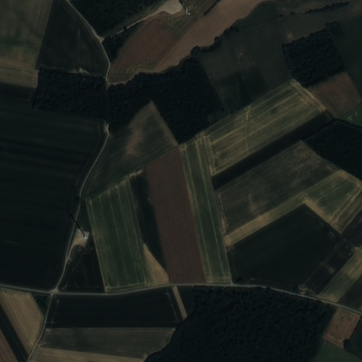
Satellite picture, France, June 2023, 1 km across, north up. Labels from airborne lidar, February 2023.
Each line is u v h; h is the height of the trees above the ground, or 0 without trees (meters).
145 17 0
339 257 0
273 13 0
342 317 0
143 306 0
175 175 0
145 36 0
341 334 0
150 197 0
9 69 0
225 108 12
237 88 0
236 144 0
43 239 0
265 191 0
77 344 0
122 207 0
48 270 0
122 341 0
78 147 0
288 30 0
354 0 0
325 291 0
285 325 19
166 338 0
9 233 0
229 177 0
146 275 0
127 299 0
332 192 0
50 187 0
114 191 0
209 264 0
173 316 0
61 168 0
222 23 0
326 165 0
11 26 0
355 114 0
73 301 0
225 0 0
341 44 0
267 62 0
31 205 0
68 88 19
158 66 0
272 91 0
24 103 0
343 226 0
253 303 19
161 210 0
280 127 0
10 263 0
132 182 0
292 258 0
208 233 0
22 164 0
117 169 0
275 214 0
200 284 0
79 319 0
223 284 0
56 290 0
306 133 0
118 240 0
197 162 0
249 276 0
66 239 0
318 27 0
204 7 0
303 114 0
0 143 0
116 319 0
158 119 0
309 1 0
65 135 0
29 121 0
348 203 0
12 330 0
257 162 0
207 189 0
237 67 0
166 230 0
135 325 0
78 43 0
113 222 0
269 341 19
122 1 10
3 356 0
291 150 0
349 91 0
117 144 0
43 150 0
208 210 0
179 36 0
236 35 0
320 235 0
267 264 0
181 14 0
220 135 0
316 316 16
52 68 0
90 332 0
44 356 0
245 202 0
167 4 0
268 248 0
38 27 0
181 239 0
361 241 0
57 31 0
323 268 0
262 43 0
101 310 0
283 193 0
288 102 0
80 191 0
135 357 0
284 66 0
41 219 0
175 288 0
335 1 0
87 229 0
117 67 0
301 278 0
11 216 0
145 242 0
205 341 23
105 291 0
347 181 0
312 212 0
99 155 0
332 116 0
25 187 0
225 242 0
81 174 0
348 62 0
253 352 18
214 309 19
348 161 12
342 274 0
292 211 0
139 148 0
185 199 0
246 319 21
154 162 0
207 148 0
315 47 16
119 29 0
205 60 0
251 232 0
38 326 0
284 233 0
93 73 0
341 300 0
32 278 0
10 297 0
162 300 0
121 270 0
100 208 0
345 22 0
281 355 18
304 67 23
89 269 0
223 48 0
